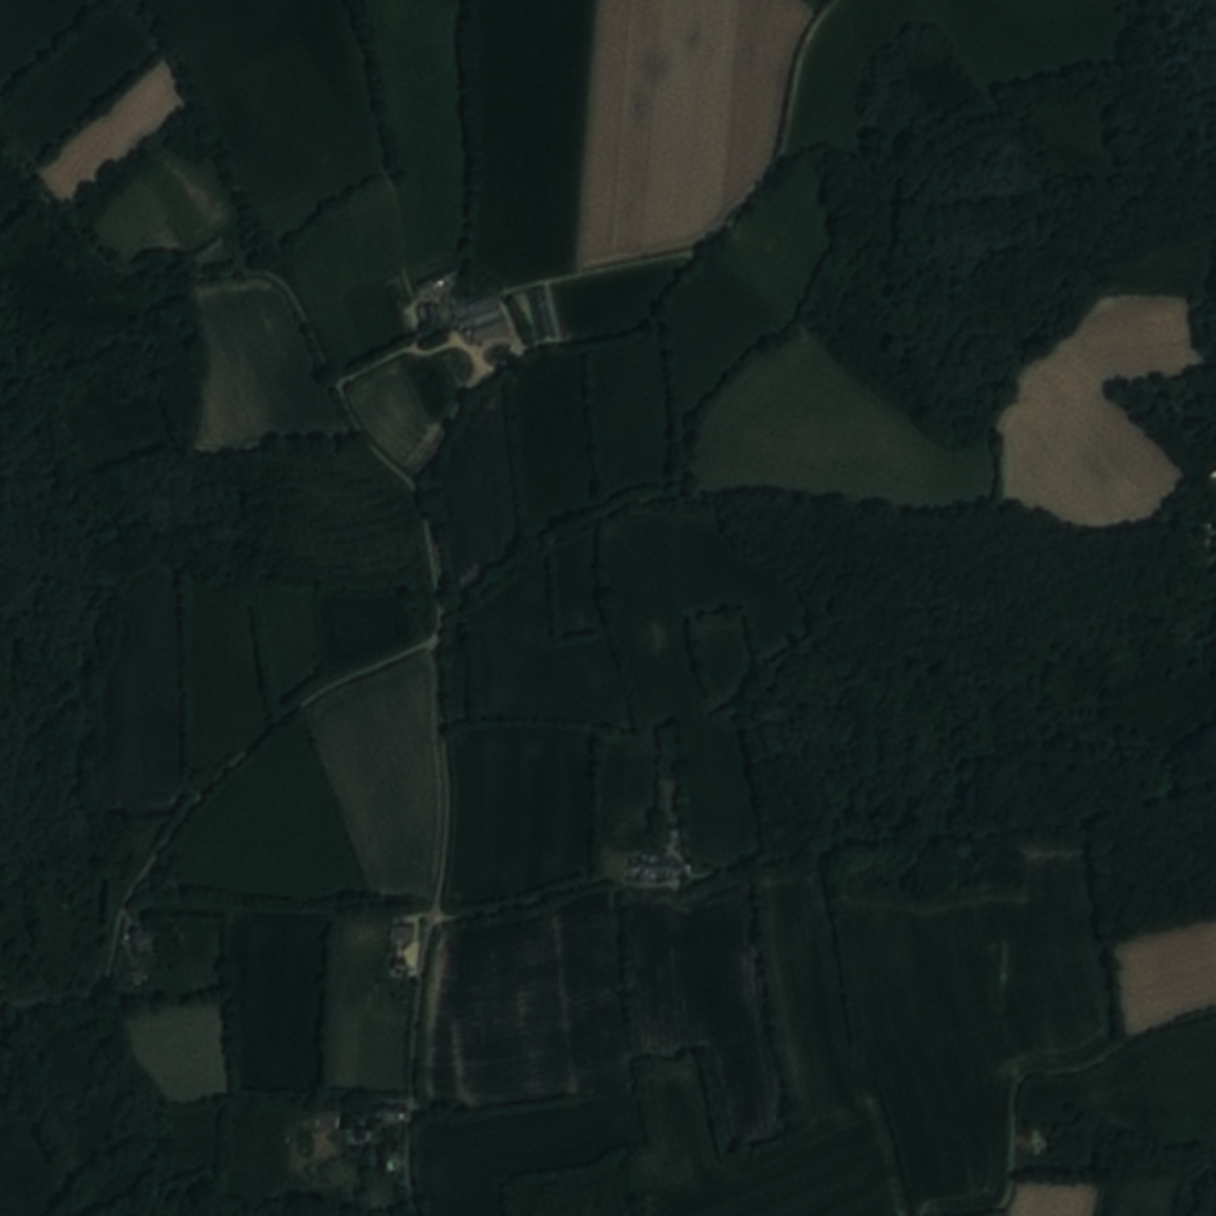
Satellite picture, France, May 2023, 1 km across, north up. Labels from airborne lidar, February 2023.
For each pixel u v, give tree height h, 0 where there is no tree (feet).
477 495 0
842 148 0
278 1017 0
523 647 0
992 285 64
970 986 0
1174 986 0
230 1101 33
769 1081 0
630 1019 27
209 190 0
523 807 0
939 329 21
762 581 0
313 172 0
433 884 0
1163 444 67
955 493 0
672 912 0
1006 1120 0
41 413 55
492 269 0
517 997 0
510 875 0
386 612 0
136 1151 45
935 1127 0
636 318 0
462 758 0
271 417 0
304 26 0
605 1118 0
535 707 0
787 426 0
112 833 41
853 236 49
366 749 0
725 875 27
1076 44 0
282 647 0
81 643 31
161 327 59
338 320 0
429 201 0
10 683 50
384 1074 0
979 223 46
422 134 0
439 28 0
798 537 69
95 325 0
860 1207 0
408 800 0
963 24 0
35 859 22
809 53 0
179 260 47
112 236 0
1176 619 34
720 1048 0
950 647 59
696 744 0
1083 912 0
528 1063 0
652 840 22
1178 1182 0
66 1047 0
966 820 74
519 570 33
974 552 70
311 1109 48
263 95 0
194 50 0
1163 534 50
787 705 45
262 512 57
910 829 74
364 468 0
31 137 0
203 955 0
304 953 0
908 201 19
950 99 0
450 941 0
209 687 0
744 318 0
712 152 0
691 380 0
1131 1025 0
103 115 38
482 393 22
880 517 79
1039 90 56
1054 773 73
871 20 0
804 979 0
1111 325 0
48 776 60
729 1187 0
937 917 0
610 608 52
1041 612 59
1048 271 65
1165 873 82
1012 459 0
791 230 0
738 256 0
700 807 0
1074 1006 0
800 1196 0
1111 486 0
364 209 0
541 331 0
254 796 0
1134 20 39
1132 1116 0
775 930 0
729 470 0
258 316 0
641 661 0
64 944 0
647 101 0
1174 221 57
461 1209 0
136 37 0
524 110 0
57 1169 47
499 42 0
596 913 0
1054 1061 0
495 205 0
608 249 0
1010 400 30
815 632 65
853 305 40
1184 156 48
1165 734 0
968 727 32
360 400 0
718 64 0
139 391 29
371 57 37
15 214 20
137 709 0
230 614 0
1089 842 61
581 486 0
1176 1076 0
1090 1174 52
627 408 0
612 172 0
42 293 0
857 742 60
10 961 20
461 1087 0
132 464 54
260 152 0
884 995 0
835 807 26
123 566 53
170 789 0
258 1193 0
